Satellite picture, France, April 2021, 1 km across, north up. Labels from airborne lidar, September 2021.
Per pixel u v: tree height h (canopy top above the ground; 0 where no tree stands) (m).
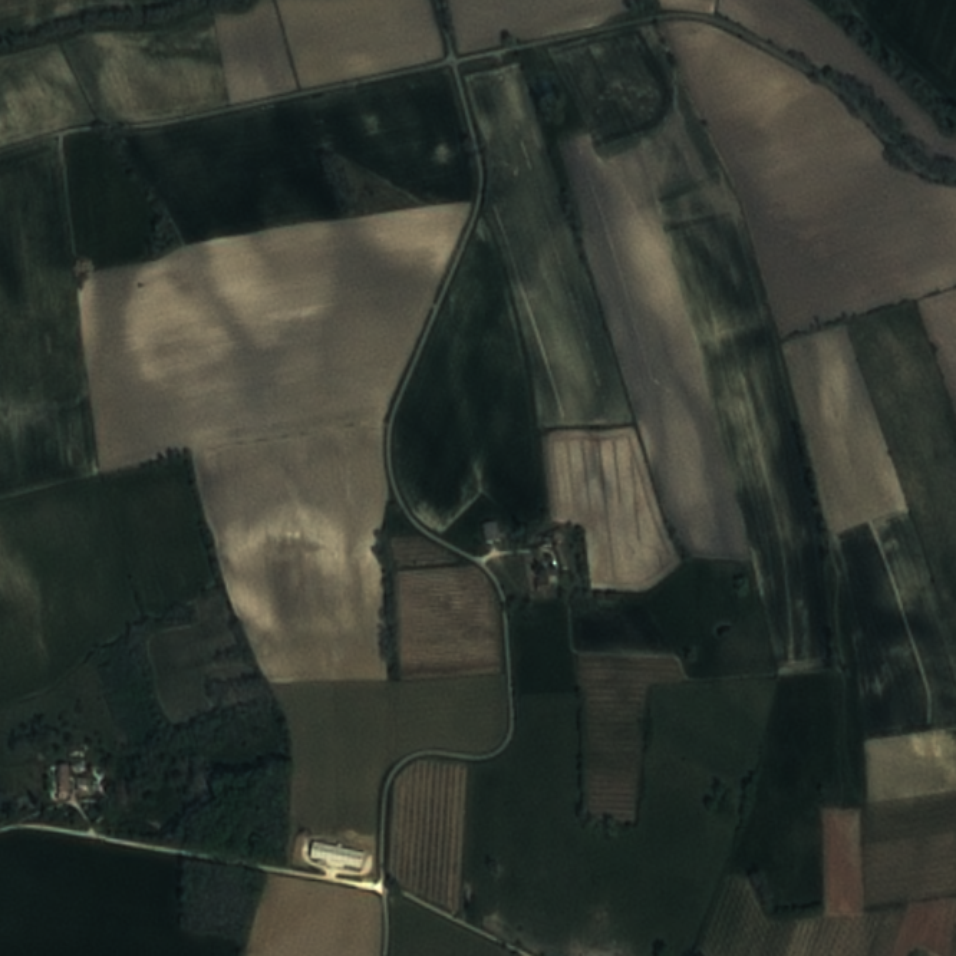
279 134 0
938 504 0
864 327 0
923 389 0
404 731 0
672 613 0
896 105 0
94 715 0
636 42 0
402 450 0
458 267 0
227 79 0
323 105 0
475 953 0
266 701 12
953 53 0
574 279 0
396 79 0
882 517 0
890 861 0
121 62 0
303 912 0
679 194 0
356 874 0
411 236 0
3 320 0
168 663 0
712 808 12
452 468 0
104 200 0
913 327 0
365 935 0
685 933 0
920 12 0
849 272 0
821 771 0
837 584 0
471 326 0
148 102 0
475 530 0
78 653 0
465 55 0
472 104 0
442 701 0
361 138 0
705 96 0
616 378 0
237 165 0
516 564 0
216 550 10
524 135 0
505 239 0
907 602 0
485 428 0
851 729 0
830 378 0
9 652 0
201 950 0
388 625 16
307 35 0
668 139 0
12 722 0
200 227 0
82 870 0
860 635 0
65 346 0
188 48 0
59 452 0
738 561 0
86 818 7
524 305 0
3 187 0
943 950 0
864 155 0
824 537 16
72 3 0
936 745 0
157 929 0
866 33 18
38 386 0
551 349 0
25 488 0
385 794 0
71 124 0
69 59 0
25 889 0
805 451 14
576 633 0
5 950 0
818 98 0
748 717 0
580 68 0
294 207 0
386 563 15
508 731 0
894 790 0
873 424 0
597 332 0
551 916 0
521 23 0
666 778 0
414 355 0
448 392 0
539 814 0
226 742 7
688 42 0
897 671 0
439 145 0
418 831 0
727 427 0
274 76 0
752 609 0
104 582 0
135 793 13
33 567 0
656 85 0
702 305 0
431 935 0
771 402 0
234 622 7
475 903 0
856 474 0
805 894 0
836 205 0
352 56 0
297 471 0
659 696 0
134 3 0
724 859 0
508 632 0
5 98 0
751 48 0
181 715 0
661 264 0
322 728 0
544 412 0
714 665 0
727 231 0
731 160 0
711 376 0
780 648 0
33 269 0
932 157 16
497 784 0
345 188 18
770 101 0
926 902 0
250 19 0
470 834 0
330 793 0
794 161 0
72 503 0
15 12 0
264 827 23
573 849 0
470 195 0
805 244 0
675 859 0
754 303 0
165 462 12
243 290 0
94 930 0
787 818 0
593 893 0
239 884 19
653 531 0
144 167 0
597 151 0
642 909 0
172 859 0
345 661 0
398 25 0
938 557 0
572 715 0
